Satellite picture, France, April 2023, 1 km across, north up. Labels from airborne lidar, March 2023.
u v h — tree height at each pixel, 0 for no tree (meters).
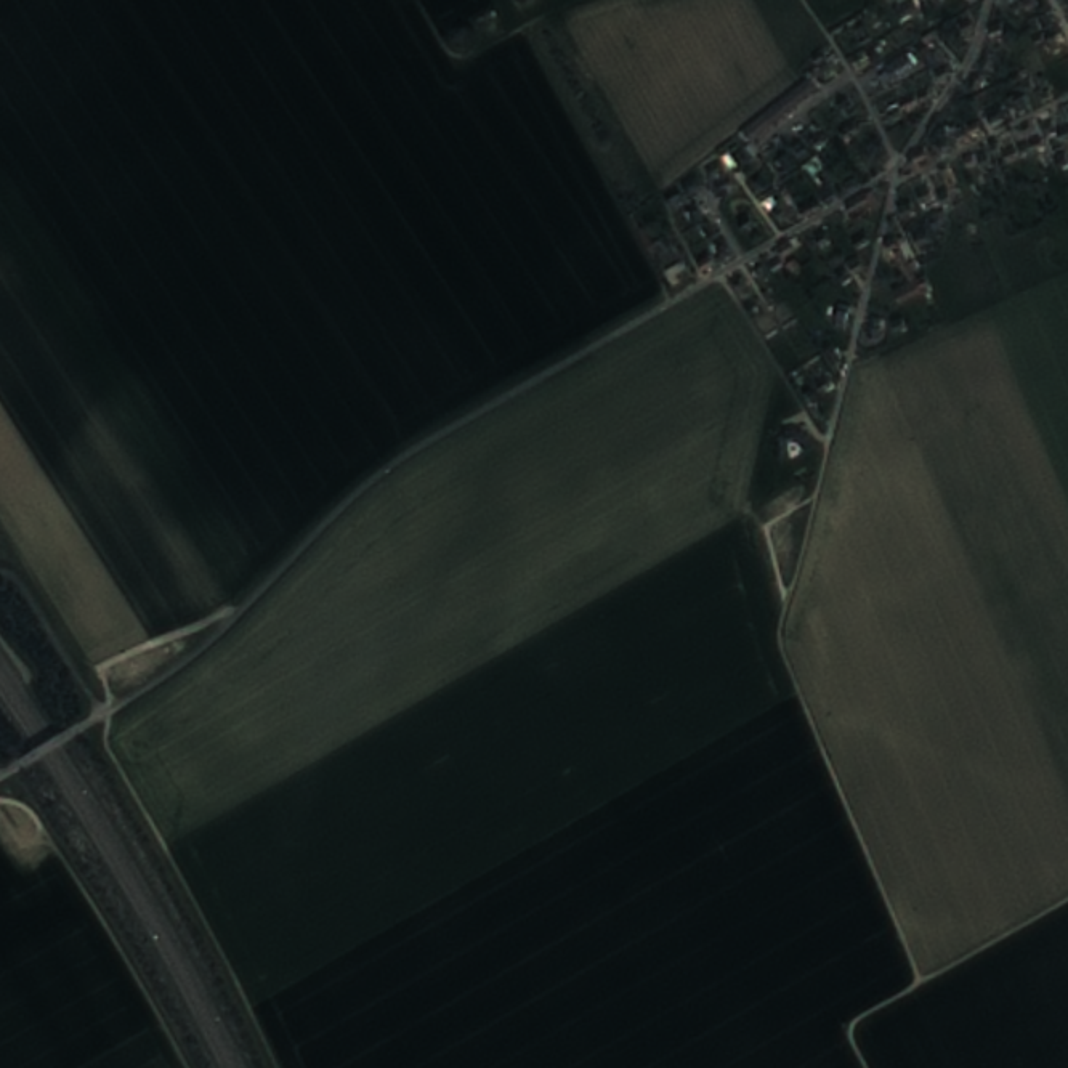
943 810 0
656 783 0
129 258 0
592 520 0
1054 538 0
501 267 0
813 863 0
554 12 0
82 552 0
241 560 0
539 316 0
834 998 0
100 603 0
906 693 0
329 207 0
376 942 0
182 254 0
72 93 0
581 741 0
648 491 0
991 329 0
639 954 0
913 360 0
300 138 0
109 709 0
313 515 0
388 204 0
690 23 0
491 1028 0
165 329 0
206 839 0
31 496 0
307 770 0
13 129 0
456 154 0
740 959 0
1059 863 0
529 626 0
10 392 0
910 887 0
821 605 0
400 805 0
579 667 0
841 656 0
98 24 0
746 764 0
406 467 0
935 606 0
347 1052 0
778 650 0
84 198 0
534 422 0
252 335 0
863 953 0
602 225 0
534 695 0
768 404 0
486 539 0
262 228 0
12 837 0
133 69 0
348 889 0
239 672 0
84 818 0
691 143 0
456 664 0
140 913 0
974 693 0
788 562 0
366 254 0
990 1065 0
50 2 0
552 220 0
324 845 0
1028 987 0
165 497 0
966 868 0
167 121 0
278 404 0
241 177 0
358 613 0
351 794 0
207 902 0
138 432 0
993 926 0
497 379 0
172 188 0
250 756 0
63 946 0
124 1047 0
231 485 0
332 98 0
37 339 0
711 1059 0
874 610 0
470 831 0
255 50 0
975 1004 0
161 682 0
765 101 0
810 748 0
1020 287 0
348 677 0
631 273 0
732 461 0
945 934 0
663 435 0
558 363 0
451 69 0
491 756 0
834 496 0
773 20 0
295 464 0
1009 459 0
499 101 0
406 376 0
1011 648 0
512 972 0
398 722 0
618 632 0
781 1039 0
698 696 0
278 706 0
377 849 0
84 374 0
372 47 0
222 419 0
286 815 0
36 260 0
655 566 0
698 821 0
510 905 0
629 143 0
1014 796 0
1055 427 0
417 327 0
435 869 0
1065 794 0
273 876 0
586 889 0
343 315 0
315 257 0
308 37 0
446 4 0
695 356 0
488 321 0
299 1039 0
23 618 10
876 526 0
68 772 0
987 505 0
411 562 0
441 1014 0
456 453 0
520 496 0
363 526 0
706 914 0
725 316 0
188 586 0
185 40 0
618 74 0
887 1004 0
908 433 0
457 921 0
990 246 0
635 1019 0
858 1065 0
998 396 0
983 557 0
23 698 0
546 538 0
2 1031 0
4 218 0
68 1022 0
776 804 0
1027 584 0
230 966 0
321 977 0
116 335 0
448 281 0
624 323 0
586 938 0
